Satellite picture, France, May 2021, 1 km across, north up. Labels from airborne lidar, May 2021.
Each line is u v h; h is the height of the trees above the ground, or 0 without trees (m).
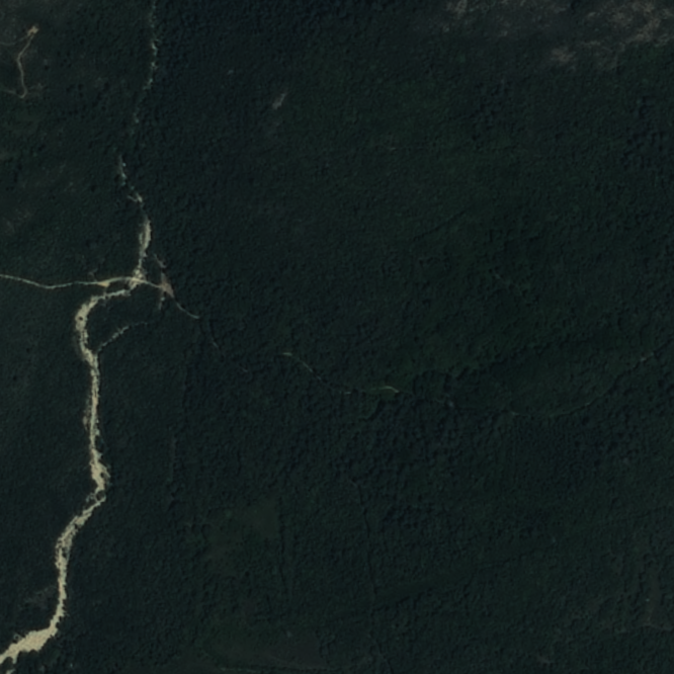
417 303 12
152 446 10
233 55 8
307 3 11
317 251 8
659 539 6
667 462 12
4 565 8
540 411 22
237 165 10
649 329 18
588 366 14
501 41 6
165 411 10
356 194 11
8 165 8
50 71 18
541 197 12
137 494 8
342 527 10
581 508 10
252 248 9
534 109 8
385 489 17
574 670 11
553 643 10
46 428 8
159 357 8
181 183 10
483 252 9
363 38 9
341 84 11
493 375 20
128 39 11
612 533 9
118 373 6
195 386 15
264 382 16
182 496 15
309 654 0
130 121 16
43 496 10
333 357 15
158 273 10
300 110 8
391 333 11
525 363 24
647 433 15
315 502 9
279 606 8
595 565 12
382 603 7
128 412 7
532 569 18
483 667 10
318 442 25
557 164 11
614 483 20
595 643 6
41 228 9
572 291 14
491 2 7
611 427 11
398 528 17
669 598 8
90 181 8
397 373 11
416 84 13
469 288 7
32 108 7
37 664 17
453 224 15
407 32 7
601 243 14
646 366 15
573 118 8
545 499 9
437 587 7
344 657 10
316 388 21
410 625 15
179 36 11
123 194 16
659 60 15
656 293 14
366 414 14
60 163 7
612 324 18
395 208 10
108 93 20
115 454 15
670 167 13
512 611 14
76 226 7
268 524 0
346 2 23
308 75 13
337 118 10
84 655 10
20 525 8
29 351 12
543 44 7
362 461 18
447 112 11
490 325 16
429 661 10
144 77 15
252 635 7
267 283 11
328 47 13
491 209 15
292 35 8
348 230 10
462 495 17
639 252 17
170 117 15
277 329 16
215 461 18
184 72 11
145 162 13
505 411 7
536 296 7
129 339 10
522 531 9
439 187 13
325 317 10
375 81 14
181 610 7
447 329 17
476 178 12
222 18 10
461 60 13
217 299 15
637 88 7
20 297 6
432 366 11
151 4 22
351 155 8
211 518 8
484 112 25
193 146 9
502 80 18
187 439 13
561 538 8
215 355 13
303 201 12
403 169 6
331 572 11
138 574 12
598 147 11
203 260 11
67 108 7
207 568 15
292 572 14
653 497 6
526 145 7
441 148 11
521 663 13
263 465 13
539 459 6
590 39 6
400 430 26
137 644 12
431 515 19
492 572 13
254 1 14
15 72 9
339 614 7
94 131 11
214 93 6
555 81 11
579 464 14
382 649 10
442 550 14
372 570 11
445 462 9
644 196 11
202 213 14
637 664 11
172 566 12
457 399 18
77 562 10
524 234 15
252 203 5
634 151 13
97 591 7
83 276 7
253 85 10
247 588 10
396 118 12
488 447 17
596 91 8
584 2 25
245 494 17
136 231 10
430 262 15
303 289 12
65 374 7
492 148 8
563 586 10
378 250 11
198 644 12
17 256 6
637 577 11
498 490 9
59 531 9
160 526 12
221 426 12
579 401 16
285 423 14
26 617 7
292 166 11
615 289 12
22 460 8
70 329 7
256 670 10
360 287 11
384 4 7
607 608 11
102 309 6
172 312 10
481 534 9
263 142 9
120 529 9
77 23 7
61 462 8
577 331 6
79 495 8
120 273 6
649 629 12
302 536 15
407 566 11
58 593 6
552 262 14
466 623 14
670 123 13
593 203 14
